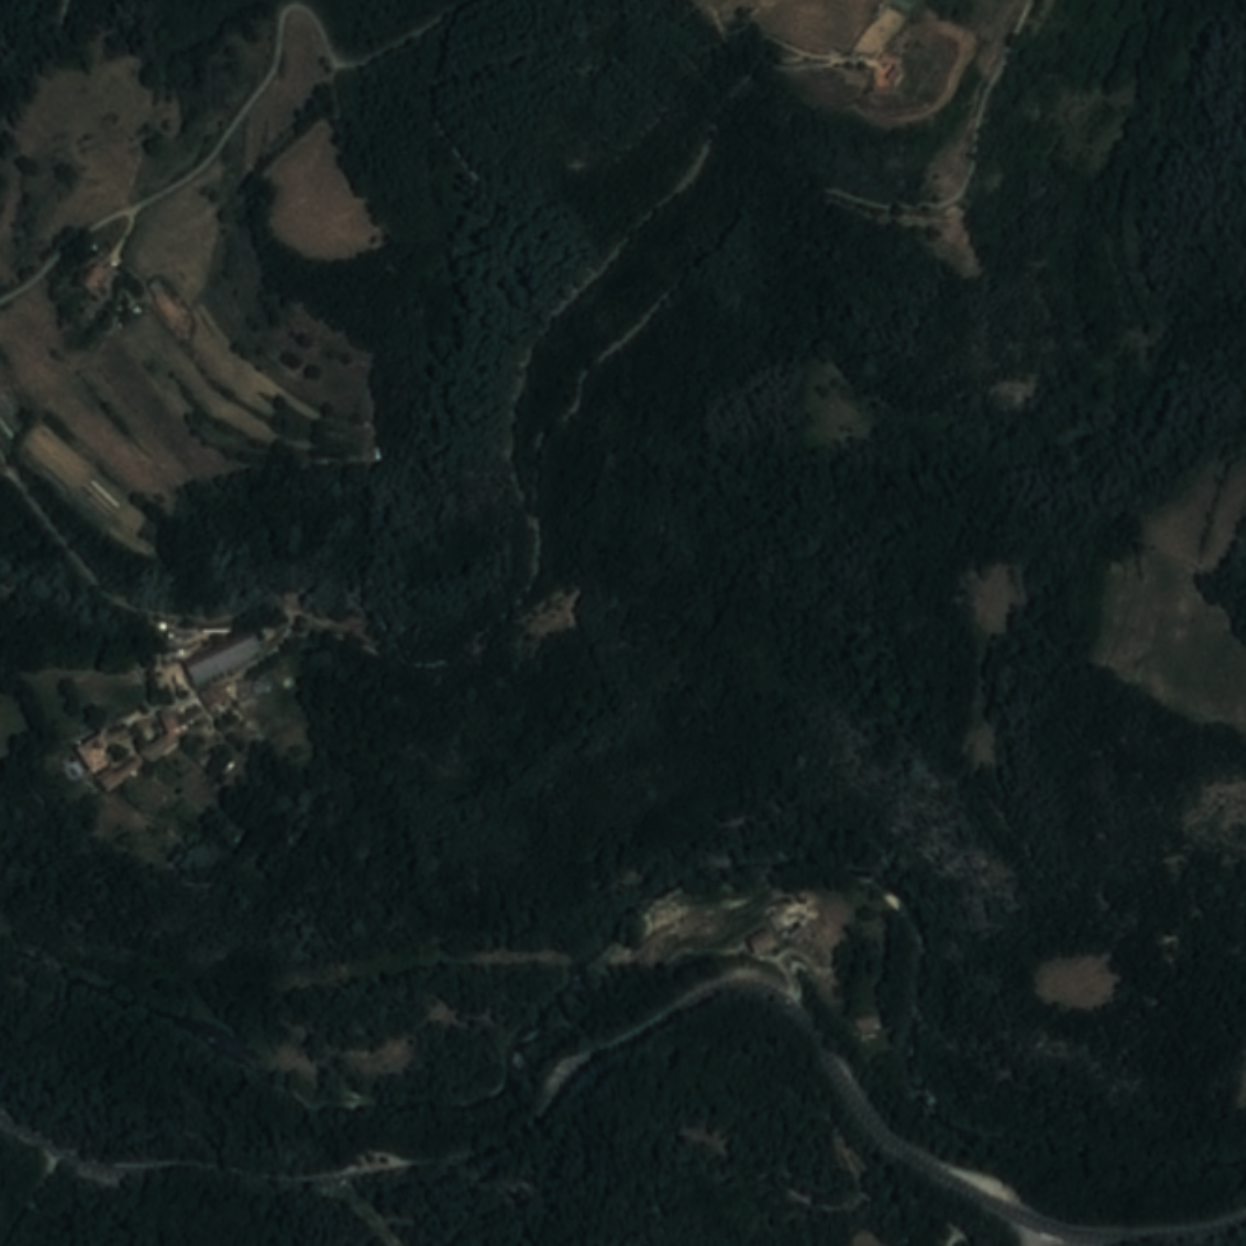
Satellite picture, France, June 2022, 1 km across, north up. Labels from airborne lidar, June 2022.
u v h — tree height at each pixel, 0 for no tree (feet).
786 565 28
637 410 39
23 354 0
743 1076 63
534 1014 67
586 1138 60
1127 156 74
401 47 25
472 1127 64
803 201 42
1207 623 0
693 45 66
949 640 53
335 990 51
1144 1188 63
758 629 28
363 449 0
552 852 41
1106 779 54
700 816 64
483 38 63
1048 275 36
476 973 56
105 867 53
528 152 23
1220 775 17
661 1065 77
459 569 35
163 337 0
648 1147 56
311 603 74
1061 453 48
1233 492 0
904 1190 67
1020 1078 59
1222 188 49
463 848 72
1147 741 52
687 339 35
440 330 46
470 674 43
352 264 34
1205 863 60
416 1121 63
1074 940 42
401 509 87
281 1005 25
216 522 42
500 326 110
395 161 32
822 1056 41
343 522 61
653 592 49
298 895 46
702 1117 65
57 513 24
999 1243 54
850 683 30
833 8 0
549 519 45
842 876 57
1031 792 50
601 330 22
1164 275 62
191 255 0
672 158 37
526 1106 94
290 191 0
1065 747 44
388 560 61
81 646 61
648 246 41
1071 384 42
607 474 66
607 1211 65
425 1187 37
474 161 62
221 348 0
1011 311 43
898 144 26
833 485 46
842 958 38
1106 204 41
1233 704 0
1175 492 52
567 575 37
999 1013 40
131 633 46
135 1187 63
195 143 0
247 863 74
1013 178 22
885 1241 60
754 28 27
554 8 62
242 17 28
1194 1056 85
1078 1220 60
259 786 52
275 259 42
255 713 0
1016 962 38
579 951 75
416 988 111
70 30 38
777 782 66
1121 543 48
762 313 56
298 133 25
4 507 39
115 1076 71
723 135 41
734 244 80
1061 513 50
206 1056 47
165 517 25
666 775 26
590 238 47
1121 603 0
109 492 0
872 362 87
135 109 0
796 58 0
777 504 27
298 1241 46
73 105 0
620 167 26
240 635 36
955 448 61
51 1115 104
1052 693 37
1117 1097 31
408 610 56
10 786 41
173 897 43
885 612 52
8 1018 35
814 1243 52
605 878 46
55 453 0
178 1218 56
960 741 31
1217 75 67
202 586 42
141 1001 46
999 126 33
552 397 34
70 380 0
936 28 0
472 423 112
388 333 38
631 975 49
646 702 42
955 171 0
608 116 58
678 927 0
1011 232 38
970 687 50
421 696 34
